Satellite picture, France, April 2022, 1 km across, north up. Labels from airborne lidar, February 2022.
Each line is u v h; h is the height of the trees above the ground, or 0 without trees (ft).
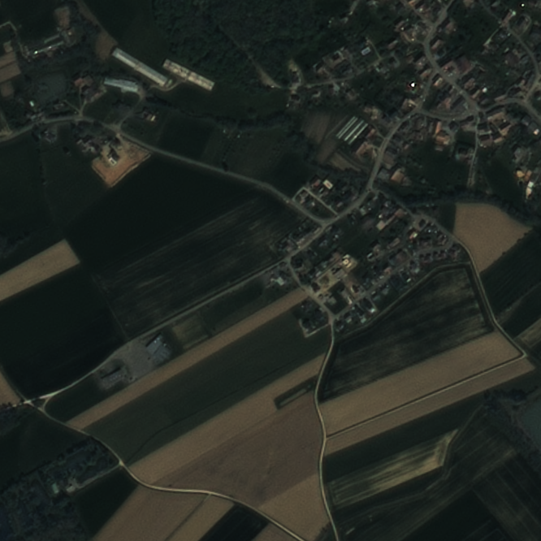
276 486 0
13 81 0
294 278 0
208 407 0
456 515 0
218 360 0
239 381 0
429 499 0
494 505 0
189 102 0
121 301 0
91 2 0
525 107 0
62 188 0
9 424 76
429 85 0
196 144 0
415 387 0
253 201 0
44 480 51
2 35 0
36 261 0
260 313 0
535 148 43
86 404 0
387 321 0
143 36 0
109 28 0
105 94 0
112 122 0
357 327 0
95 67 47
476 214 0
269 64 86
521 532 0
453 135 0
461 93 0
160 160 0
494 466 0
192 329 0
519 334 0
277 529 0
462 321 0
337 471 0
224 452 0
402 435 0
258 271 0
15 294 0
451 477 0
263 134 0
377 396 0
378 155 0
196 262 0
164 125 0
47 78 0
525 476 0
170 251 0
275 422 0
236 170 0
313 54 0
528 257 0
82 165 0
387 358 0
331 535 0
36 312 0
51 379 0
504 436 0
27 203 0
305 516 0
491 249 0
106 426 0
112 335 0
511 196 0
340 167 0
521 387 0
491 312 0
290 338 0
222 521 0
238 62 77
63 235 0
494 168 0
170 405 0
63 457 34
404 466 0
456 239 0
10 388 0
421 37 0
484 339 0
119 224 0
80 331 0
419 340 0
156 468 0
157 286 0
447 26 0
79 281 0
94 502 0
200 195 0
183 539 0
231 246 0
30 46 0
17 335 0
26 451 0
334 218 0
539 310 0
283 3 38
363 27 31
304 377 0
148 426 0
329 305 0
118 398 0
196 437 0
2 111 0
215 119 22
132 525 0
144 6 0
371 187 0
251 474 0
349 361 0
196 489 0
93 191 0
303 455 0
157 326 0
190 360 0
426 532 0
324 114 0
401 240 28
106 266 0
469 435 0
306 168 0
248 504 0
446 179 0
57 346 0
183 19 89
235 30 52
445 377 0
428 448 0
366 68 39
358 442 0
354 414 0
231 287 0
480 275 0
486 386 0
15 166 0
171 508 0
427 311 0
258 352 0
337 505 0
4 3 0
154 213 0
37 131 48
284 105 0
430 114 0
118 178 0
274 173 0
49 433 0
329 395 0
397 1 0
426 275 0
